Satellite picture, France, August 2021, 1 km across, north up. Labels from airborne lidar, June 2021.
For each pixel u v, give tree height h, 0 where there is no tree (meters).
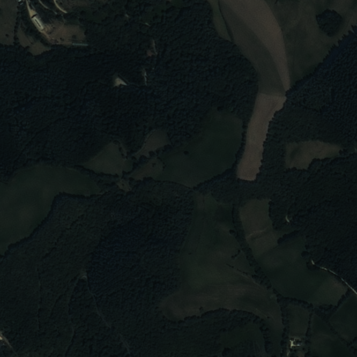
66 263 23
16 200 0
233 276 0
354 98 35
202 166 0
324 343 0
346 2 0
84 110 29
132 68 12
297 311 0
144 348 20
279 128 17
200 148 0
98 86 10
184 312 0
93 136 25
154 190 18
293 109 16
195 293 0
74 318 24
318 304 0
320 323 0
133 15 10
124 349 12
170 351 16
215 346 23
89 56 12
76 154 23
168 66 18
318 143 0
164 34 22
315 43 0
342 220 25
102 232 25
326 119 23
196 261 0
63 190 0
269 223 0
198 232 0
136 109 6
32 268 23
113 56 16
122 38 22
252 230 0
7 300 20
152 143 0
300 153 0
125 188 0
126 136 11
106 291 26
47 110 31
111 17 16
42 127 20
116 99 10
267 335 16
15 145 16
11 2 0
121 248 26
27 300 19
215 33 10
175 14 22
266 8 0
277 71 0
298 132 23
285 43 0
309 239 21
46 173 0
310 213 25
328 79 37
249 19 0
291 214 23
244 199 16
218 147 0
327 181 25
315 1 0
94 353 32
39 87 27
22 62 35
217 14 0
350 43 33
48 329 21
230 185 16
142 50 21
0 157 13
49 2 15
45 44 11
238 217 11
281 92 0
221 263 0
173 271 20
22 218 0
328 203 26
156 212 6
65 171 0
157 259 22
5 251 0
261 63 0
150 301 20
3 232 0
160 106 31
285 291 0
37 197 0
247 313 13
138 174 0
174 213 6
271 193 22
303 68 0
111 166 0
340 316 0
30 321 18
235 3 0
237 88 18
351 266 12
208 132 0
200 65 25
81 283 24
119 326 21
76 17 13
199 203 0
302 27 0
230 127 0
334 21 26
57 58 31
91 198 12
